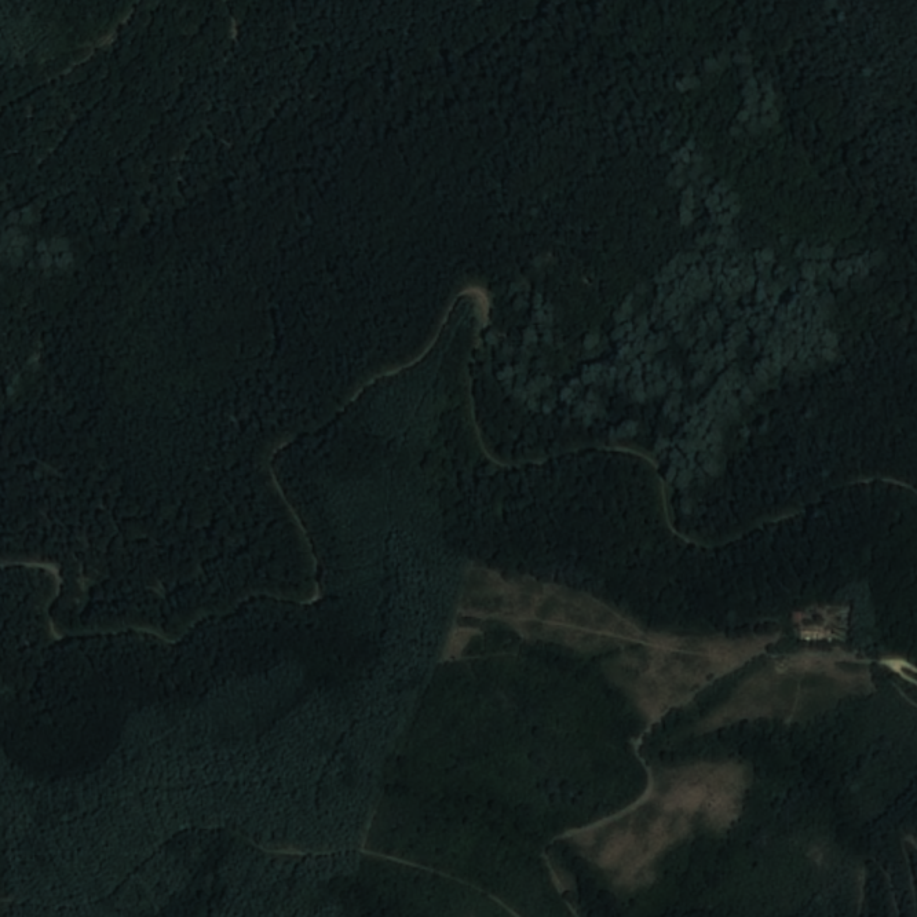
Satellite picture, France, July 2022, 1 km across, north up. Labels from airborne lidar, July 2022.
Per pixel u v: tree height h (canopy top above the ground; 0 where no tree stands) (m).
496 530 24
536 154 26
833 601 9
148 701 17
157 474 20
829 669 0
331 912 14
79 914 14
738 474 20
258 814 16
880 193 28
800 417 20
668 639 0
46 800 15
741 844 7
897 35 10
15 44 9
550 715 6
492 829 9
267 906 12
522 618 0
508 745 7
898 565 19
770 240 16
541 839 9
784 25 16
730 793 0
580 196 25
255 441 20
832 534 15
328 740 19
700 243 29
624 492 27
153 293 15
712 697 7
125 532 20
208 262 9
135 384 12
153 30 18
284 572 22
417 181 20
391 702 18
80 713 19
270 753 15
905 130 17
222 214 19
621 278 21
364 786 17
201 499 23
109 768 14
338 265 23
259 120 27
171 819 14
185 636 8
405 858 9
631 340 46
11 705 19
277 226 14
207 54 21
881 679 9
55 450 27
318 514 16
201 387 11
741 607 17
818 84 26
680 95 12
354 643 17
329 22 29
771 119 27
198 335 17
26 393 29
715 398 38
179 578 20
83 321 24
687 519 24
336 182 12
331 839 11
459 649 0
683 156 39
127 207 33
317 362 19
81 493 20
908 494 20
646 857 0
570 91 20
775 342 40
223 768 14
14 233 39
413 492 13
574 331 27
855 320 14
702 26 20
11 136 23
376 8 32
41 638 18
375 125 17
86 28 10
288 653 19
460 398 6
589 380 35
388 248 14
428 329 16
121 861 17
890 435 13
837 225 18
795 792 19
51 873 16
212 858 20
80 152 23
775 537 17
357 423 15
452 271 20
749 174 13
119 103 24
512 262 20
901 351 24
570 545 18
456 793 8
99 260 24
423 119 19
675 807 0
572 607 0
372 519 14
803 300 40
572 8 25
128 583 19
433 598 18
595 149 20
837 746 9
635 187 21
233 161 29
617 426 9
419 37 39
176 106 26
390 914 17
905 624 19
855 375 9
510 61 23
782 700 0
